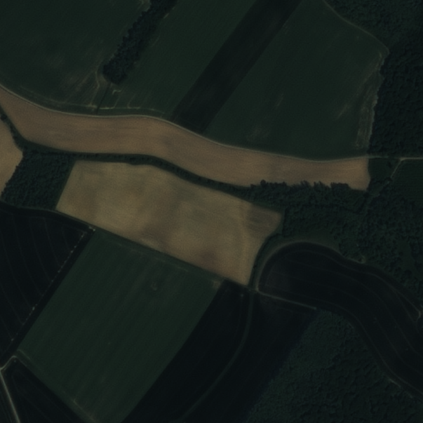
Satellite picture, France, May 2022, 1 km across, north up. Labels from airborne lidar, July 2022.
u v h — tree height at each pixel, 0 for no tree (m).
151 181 0
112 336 0
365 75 0
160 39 0
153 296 0
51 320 0
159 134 0
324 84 0
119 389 0
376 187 17
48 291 0
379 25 23
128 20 0
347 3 24
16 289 0
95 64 0
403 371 0
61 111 0
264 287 0
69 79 0
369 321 0
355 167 0
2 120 13
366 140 0
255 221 0
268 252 0
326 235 0
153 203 0
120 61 22
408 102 27
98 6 0
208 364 0
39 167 25
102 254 0
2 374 0
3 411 0
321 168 0
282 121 0
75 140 0
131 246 0
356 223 21
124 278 0
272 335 0
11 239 0
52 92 0
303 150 0
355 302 0
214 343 0
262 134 0
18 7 0
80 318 0
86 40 0
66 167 27
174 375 0
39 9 0
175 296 0
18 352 0
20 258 0
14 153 0
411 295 0
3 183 0
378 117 20
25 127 0
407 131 23
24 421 0
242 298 0
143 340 0
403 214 28
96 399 0
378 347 0
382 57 0
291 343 0
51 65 0
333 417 29
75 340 0
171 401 0
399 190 11
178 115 0
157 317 0
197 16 0
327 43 0
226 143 0
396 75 23
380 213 26
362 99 0
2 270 0
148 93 0
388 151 25
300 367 27
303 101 0
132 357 0
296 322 0
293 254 0
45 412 0
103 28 0
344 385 31
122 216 0
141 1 0
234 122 0
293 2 0
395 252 17
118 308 0
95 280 0
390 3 24
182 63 0
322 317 24
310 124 0
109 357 0
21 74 0
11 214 0
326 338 25
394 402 34
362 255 20
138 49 26
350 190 17
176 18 0
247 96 0
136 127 0
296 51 0
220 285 0
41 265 0
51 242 0
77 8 0
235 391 0
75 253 0
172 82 0
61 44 0
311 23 0
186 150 0
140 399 0
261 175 0
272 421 29
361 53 0
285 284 0
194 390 0
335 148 0
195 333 0
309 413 26
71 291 0
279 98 0
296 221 18
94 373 0
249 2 0
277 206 11
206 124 0
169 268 0
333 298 0
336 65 0
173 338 0
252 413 25
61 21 0
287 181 0
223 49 0
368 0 23
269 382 21
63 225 0
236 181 0
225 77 0
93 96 0
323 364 26
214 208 0
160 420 0
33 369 0
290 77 0
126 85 0
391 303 0
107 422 0
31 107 0
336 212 20
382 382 27
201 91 0
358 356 26
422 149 16
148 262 0
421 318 0
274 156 0
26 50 0
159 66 0
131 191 0
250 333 0
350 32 0
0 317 0
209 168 0
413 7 22
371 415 26
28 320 0
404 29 24
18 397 0
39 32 0
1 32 0
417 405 25
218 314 0
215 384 0
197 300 0
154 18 21
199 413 0
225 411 0
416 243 15
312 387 25
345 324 24
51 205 18
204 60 0
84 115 0
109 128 0
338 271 0
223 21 0
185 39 0
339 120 0
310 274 0
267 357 0
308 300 0
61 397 0
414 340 0
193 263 0
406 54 23
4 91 0
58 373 0
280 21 0
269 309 0
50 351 0
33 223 0
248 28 0
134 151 0
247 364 0
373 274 0
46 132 0
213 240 0
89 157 10
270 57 0
